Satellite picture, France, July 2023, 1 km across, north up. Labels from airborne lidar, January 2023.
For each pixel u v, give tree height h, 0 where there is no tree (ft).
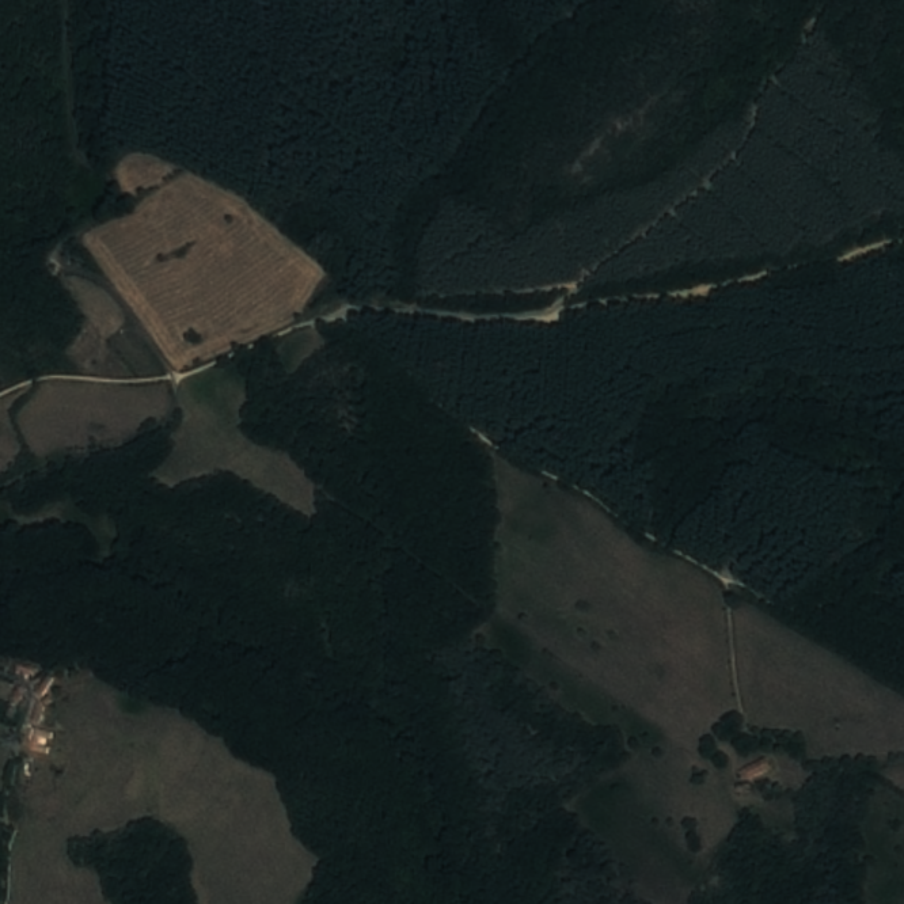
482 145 46
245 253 0
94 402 0
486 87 86
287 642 54
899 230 55
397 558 67
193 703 57
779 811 0
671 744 0
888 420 104
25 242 24
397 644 57
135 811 0
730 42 51
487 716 55
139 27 90
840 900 41
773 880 48
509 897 52
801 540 81
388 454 58
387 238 74
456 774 58
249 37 91
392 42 85
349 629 67
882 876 0
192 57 71
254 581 51
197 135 73
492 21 66
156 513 57
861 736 0
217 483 36
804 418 64
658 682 0
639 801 0
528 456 55
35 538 55
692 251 53
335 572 58
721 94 29
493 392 71
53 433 0
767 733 29
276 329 0
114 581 74
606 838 0
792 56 55
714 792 0
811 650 0
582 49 55
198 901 33
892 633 46
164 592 75
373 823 77
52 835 0
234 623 79
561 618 0
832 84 40
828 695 0
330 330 31
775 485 90
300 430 61
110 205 65
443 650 46
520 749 42
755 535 76
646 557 0
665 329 87
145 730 0
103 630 36
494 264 45
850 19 43
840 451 60
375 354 70
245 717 57
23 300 39
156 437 41
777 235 56
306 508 0
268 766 44
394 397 62
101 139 49
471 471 47
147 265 0
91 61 84
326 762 64
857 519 83
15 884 0
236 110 87
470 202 30
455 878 81
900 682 34
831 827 45
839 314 90
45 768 0
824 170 51
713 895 29
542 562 0
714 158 52
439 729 73
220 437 0
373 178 86
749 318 92
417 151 94
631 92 21
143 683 82
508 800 53
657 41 37
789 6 72
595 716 0
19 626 56
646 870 0
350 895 55
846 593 46
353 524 62
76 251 28
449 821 58
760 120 45
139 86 78
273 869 0
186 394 0
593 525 0
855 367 87
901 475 79
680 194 58
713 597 0
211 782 0
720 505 78
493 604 28
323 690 55
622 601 0
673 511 52
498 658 33
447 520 54
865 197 60
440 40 100
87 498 57
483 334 82
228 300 0
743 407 53
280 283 0
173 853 39
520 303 43
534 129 50
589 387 84
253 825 0
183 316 0
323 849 65
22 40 65
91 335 0
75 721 0
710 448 65
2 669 20
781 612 34
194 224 0
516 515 0
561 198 34
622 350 87
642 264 52
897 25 43
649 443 70
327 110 82
